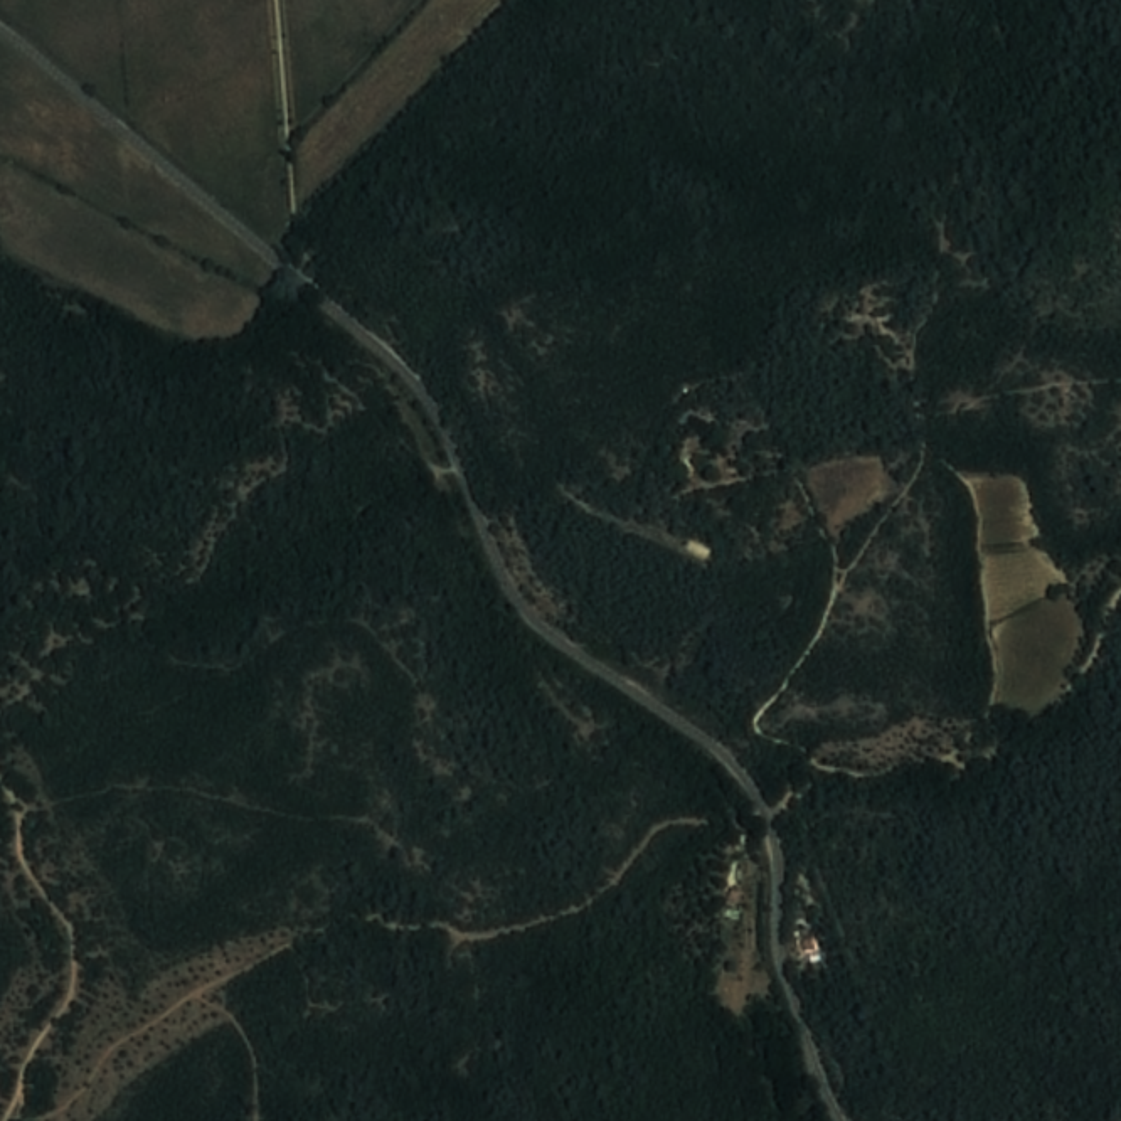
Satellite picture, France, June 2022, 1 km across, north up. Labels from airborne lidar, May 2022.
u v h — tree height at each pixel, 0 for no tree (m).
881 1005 8
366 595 17
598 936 21
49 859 7
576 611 8
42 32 0
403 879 9
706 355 5
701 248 15
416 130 17
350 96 0
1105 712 17
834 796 17
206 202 0
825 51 8
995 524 0
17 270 8
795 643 9
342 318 0
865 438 6
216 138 0
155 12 0
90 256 0
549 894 7
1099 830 17
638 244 12
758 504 6
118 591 11
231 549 9
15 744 11
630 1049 11
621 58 6
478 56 14
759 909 6
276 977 6
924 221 16
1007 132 24
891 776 15
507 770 13
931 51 11
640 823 6
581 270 12
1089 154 16
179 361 13
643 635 13
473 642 6
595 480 11
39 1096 9
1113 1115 18
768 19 9
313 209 7
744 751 6
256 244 0
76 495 20
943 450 8
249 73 0
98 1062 0
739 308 8
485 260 13
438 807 6
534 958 10
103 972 10
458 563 6
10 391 8
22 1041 8
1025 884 20
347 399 6
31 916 11
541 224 11
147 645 8
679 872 11
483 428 5
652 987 17
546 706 20
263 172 0
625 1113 10
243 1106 18
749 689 9
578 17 9
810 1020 13
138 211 0
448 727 6
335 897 10
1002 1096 9
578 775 9
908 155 9
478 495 14
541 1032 8
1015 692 0
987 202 13
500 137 8
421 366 8
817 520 9
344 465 10
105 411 9
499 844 7
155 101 0
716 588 14
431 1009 9
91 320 9
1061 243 12
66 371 11
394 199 9
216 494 13
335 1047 6
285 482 9
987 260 6
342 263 5
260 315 11
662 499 17
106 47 0
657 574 14
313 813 5
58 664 14
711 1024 12
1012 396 10
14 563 6
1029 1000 8
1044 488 6
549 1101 10
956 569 7
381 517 17
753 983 0
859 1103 10
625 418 7
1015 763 24
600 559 12
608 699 8
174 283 0
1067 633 0
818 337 21
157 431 12
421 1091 9
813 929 7
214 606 14
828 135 8
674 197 15
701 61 7
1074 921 12
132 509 8
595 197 11
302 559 7
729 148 8
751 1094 14
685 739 8
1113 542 9
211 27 0
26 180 0
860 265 11
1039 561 0
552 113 9
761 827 17
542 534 14
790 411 14
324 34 0
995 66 16
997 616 0
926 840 15
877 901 9
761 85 6
